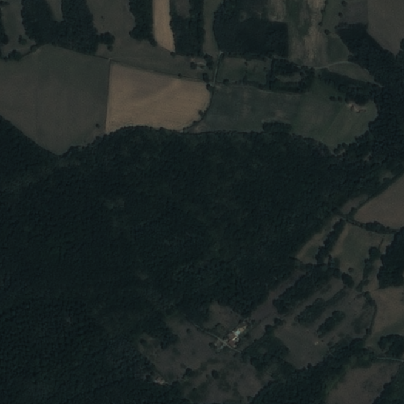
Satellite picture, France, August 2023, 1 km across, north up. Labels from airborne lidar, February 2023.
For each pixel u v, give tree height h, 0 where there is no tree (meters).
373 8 0
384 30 0
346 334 0
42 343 16
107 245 21
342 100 8
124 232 15
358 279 0
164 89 0
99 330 20
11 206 14
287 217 20
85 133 0
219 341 0
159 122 0
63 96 0
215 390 0
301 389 22
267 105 0
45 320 15
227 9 18
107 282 14
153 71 0
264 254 20
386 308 0
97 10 0
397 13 0
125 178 18
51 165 18
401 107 19
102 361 21
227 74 0
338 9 0
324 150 15
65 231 12
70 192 13
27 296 18
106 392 18
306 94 0
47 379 15
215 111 0
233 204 10
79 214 14
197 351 0
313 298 0
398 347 21
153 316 21
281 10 0
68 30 18
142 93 0
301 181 18
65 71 0
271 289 11
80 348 19
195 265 17
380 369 0
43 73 0
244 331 0
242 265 23
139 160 13
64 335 18
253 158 14
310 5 0
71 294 19
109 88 0
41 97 0
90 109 0
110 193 19
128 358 17
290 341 0
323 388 18
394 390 8
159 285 19
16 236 21
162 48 0
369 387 0
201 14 16
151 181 13
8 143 17
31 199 19
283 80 0
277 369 14
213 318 0
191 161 17
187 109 0
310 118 0
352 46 20
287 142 14
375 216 0
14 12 0
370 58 26
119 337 21
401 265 25
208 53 0
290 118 0
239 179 14
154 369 13
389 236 0
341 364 20
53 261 19
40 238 18
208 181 16
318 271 17
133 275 16
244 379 0
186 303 22
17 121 0
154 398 22
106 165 13
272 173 16
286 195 20
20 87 0
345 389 0
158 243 16
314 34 0
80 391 19
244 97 0
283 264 16
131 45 0
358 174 14
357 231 0
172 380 0
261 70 0
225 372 0
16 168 17
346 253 0
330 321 12
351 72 0
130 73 0
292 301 12
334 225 0
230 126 0
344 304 0
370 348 7
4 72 0
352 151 11
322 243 0
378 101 24
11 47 0
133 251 15
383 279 21
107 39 20
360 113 0
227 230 19
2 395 13
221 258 12
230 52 15
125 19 0
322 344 0
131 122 0
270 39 19
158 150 15
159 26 0
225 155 17
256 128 0
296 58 0
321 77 10
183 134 9
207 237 23
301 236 22
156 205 10
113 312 15
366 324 0
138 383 20
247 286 15
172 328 0
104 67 0
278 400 18
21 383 18
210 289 22
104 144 11
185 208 13
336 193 15
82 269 20
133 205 18
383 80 20
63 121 0
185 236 19
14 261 15
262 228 22
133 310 19
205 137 13
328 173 17
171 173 17
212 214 14
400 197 0
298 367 0
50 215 11
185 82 0
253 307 11
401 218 0
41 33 16
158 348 0
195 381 0
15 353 19
